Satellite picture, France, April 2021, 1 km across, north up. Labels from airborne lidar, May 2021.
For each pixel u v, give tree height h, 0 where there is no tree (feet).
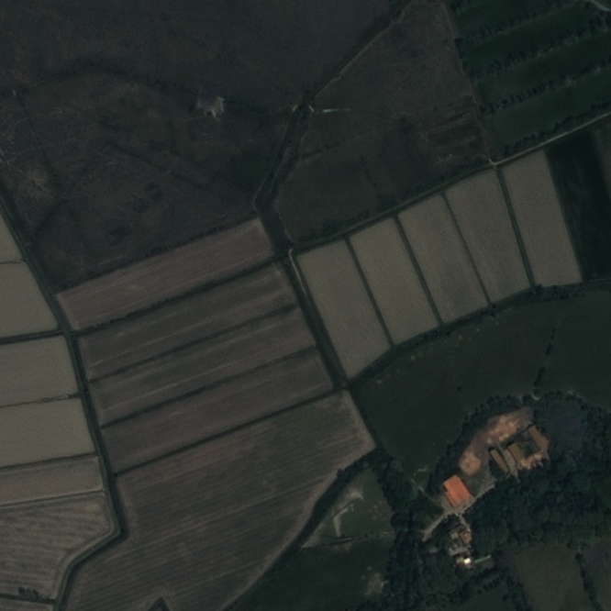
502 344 0
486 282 0
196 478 0
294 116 0
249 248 0
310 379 0
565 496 59
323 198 0
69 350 0
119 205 0
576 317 0
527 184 0
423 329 0
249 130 0
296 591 0
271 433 0
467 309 0
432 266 0
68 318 0
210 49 0
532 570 0
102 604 0
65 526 0
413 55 0
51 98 0
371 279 0
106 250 0
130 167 0
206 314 0
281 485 0
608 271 0
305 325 0
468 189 0
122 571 0
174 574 0
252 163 0
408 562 45
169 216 0
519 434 0
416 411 0
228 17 0
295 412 0
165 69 0
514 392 0
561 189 0
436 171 0
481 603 0
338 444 0
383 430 0
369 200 0
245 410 0
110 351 0
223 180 0
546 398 29
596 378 0
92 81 0
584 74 32
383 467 27
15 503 0
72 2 0
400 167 0
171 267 0
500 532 98
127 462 0
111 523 0
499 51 0
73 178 0
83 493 0
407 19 0
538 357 0
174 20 0
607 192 0
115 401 0
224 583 0
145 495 0
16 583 0
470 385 0
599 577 0
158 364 0
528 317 0
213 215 0
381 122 0
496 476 52
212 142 0
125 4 0
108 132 0
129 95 0
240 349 0
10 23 0
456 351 0
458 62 0
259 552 0
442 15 0
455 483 0
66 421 0
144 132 0
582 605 0
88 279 0
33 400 0
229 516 0
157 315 0
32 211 0
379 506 0
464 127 0
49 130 0
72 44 0
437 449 0
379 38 0
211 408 0
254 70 0
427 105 0
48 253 0
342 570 0
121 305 0
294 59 0
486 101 0
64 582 0
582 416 0
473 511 36
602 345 0
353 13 0
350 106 0
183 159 0
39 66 0
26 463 0
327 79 0
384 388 0
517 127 0
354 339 0
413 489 56
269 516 0
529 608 20
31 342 0
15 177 0
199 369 0
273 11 0
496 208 0
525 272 0
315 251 0
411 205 0
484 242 0
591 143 0
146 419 0
